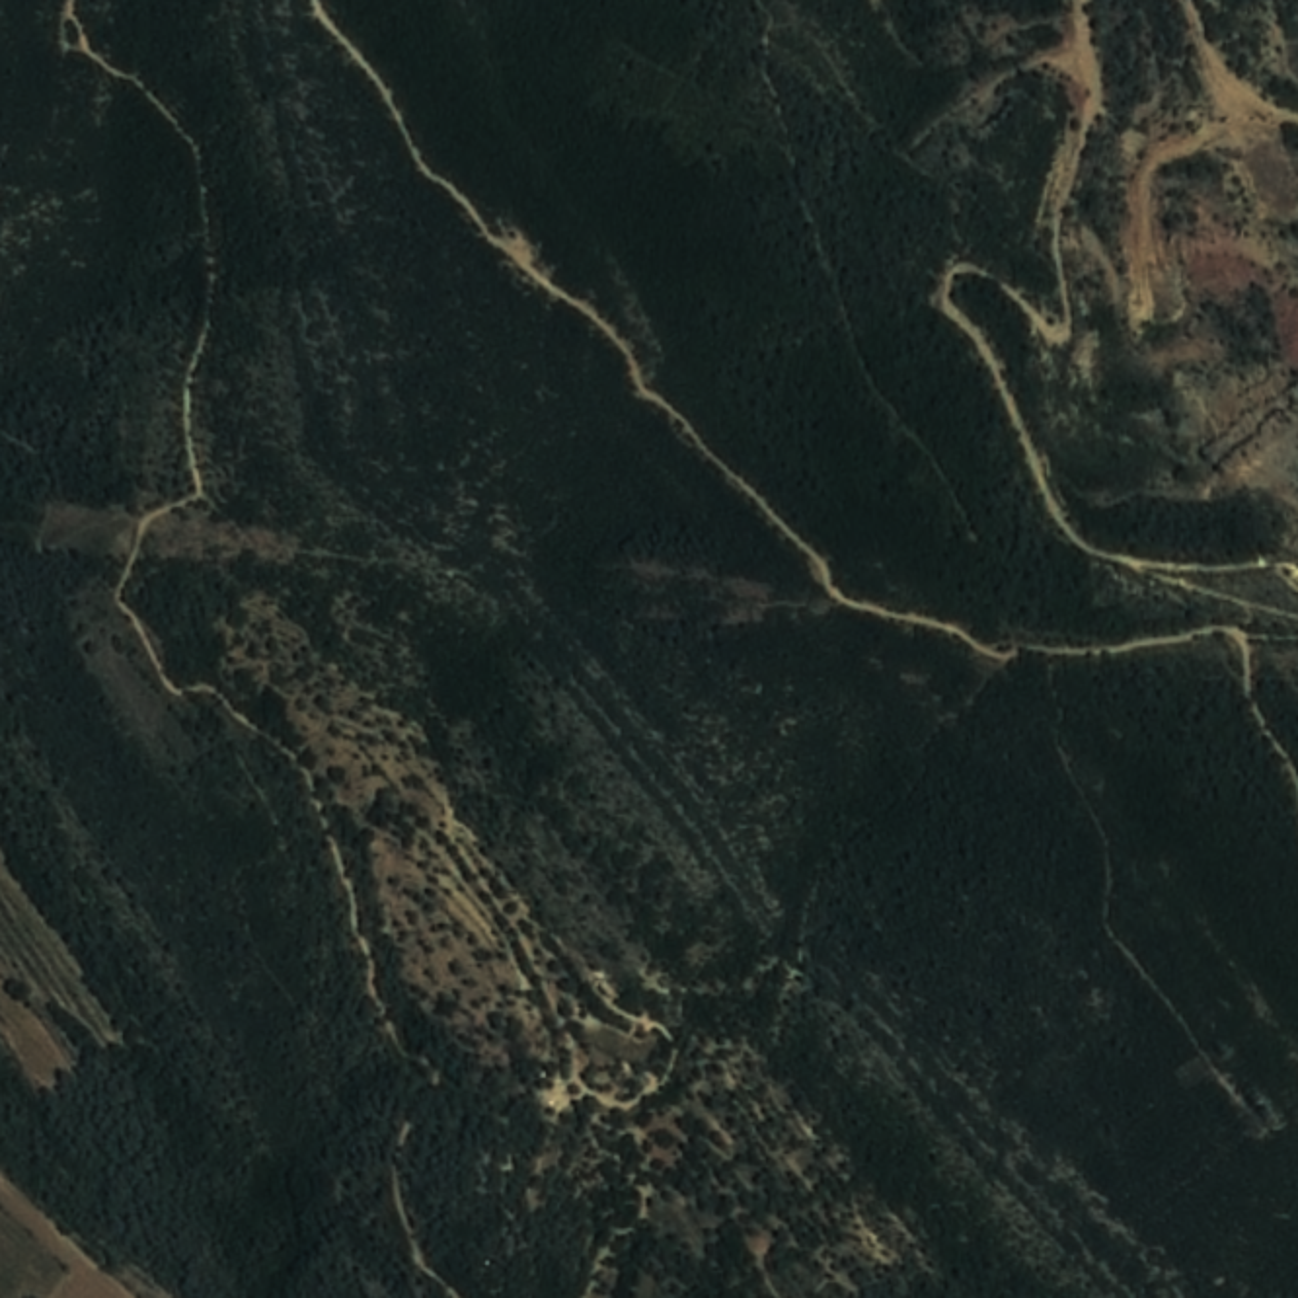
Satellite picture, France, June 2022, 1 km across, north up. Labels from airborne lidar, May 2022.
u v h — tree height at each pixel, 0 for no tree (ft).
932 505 26
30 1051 0
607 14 25
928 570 32
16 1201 0
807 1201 30
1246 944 29
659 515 25
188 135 26
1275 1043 19
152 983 33
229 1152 32
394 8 25
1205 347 0
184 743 0
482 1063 42
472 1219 22
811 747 21
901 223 19
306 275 26
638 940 26
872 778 25
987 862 20
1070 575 30
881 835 22
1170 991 17
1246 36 25
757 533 23
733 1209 53
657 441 23
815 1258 25
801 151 25
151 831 25
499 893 33
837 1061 21
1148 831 28
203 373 26
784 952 33
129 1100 39
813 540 19
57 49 20
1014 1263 21
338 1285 49
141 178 33
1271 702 20
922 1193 23
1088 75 0
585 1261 35
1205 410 0
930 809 22
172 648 22
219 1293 52
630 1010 30
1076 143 0
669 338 23
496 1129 49
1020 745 20
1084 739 18
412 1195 23
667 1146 29
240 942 39
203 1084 54
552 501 19
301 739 36
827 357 30
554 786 22
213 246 25
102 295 31
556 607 19
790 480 26
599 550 31
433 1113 36
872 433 28
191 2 30
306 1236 49
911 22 17
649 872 28
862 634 26
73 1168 32
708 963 24
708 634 27
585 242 20
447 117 23
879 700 19
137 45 29
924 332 52
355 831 44
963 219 38
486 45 27
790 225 21
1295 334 0
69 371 19
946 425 26
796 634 29
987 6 30
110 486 27
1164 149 0
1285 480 0
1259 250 0
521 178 21
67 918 32
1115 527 28
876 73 21
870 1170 34
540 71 27
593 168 28
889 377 28
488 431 24
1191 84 25
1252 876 24
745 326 27
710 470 23
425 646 21
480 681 38
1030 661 21
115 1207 40
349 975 40
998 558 23
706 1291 25
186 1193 31
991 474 19
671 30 27
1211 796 42
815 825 17
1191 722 37
